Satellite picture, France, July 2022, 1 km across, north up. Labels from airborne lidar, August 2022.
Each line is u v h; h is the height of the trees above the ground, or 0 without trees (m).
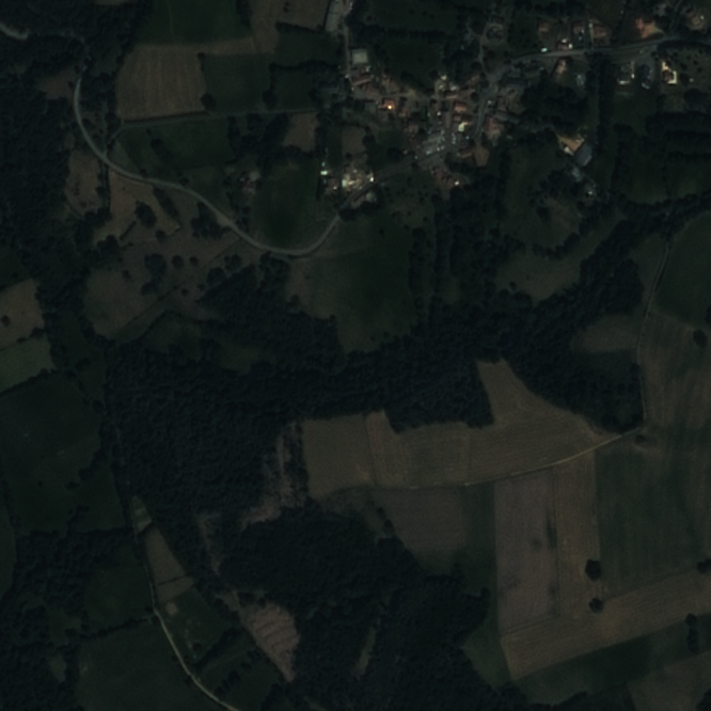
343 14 0
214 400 16
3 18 11
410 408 21
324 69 15
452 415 17
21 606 13
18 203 10
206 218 14
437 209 11
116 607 0
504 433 0
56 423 0
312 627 18
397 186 0
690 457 0
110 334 0
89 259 21
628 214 17
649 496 0
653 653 0
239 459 22
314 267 0
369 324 0
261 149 22
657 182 0
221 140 0
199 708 0
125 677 0
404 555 16
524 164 0
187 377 10
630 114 0
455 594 16
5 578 0
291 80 0
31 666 14
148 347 0
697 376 0
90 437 0
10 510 12
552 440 0
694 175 0
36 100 18
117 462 10
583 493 0
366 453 0
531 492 0
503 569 0
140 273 0
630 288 17
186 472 20
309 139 0
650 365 0
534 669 0
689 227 0
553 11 14
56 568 24
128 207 0
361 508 0
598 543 0
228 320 16
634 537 0
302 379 26
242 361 0
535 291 0
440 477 0
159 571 0
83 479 17
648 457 0
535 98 11
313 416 14
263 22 0
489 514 0
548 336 22
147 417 13
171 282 0
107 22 25
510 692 13
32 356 0
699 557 0
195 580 11
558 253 13
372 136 7
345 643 18
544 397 11
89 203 0
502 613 0
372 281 0
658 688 0
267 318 23
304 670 15
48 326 16
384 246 0
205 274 0
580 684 0
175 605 0
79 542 17
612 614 0
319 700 7
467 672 11
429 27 0
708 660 0
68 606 19
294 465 14
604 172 0
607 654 0
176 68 0
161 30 0
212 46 0
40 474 0
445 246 19
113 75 9
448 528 0
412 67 0
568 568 0
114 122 12
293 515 20
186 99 0
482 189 17
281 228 0
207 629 0
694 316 0
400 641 19
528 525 0
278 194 0
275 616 0
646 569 0
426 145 0
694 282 0
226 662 0
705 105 7
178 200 0
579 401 25
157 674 0
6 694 21
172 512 15
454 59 17
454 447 0
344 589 23
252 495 22
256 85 0
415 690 14
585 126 0
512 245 10
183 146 0
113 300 0
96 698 0
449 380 23
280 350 25
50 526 0
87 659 0
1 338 0
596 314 21
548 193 12
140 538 9
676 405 0
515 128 14
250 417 26
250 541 13
